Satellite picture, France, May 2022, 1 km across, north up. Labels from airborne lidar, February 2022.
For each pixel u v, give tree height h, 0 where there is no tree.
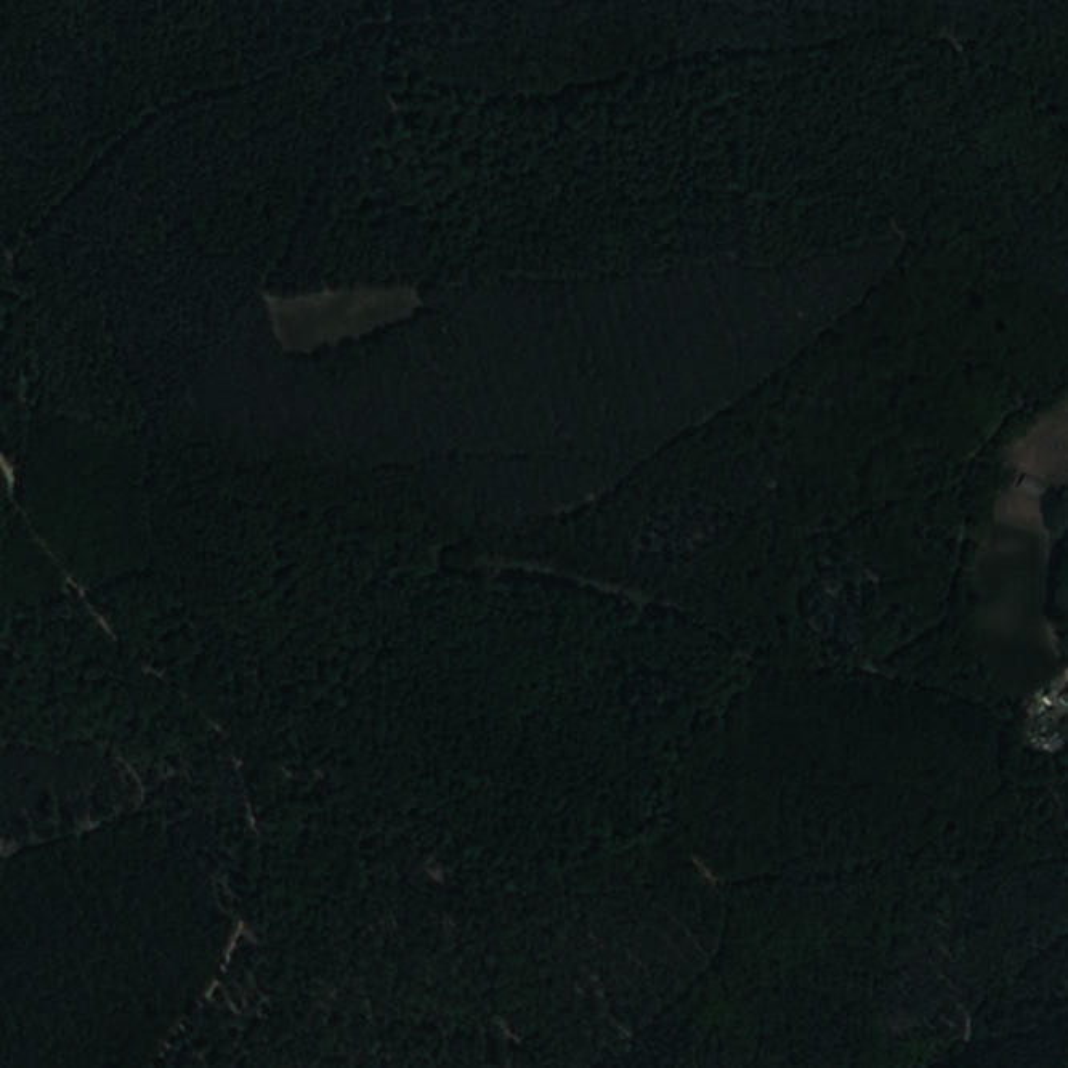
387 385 15
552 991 26
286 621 27
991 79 28
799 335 20
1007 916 24
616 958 20
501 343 17
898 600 11
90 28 21
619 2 21
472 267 18
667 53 29
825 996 22
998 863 20
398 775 27
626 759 29
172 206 22
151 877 11
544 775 30
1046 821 13
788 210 23
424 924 22
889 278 20
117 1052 12
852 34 28
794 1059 26
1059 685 0
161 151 24
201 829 8
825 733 12
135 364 20
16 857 7
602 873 16
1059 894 20
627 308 19
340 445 21
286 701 26
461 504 21
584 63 24
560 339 19
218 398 18
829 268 21
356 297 0
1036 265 24
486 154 34
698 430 10
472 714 27
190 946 12
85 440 0
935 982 29
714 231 28
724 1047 15
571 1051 25
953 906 26
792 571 13
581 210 23
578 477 17
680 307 20
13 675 25
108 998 12
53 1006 11
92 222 21
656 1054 30
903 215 24
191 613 22
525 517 18
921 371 12
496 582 31
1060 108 26
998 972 23
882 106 24
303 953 20
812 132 25
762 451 14
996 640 0
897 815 11
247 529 25
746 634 22
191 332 17
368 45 21
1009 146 20
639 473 16
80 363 22
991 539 0
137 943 8
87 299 21
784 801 14
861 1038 21
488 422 16
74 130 17
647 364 20
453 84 17
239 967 25
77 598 26
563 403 19
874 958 13
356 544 30
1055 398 11
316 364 16
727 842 11
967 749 14
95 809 7
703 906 22
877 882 22
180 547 16
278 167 19
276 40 25
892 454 18
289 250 27
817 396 11
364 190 12
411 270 16
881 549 12
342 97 25
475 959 24
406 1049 29
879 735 14
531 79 22
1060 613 22
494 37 25
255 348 17
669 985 16
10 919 10
